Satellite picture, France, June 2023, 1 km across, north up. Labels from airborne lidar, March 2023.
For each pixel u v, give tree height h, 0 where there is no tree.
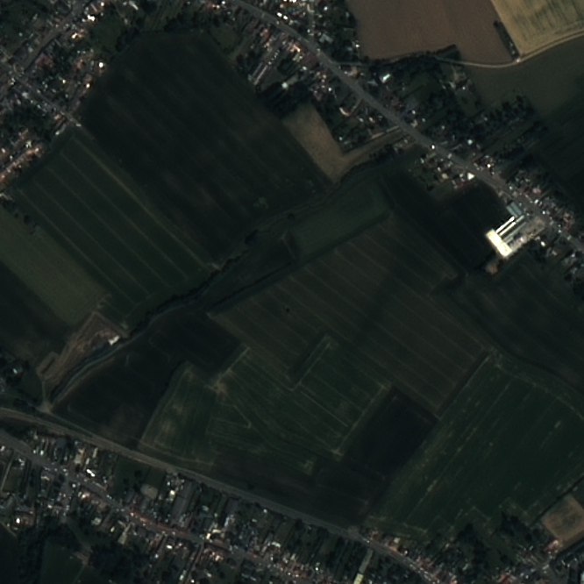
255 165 0
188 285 0
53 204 0
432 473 0
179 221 0
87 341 0
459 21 0
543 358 0
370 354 0
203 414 0
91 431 0
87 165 0
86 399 0
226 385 0
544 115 0
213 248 0
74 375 0
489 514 0
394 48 0
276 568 0
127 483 14
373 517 0
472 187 0
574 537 0
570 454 0
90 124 0
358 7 0
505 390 0
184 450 0
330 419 0
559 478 0
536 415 0
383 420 0
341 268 0
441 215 0
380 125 7
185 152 0
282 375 0
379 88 7
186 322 0
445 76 6
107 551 21
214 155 0
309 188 0
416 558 0
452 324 0
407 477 0
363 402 0
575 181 0
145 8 15
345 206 0
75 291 0
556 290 0
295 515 0
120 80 0
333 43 13
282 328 0
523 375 0
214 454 0
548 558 0
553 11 0
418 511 0
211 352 0
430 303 0
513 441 0
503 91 0
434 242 0
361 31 0
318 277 0
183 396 0
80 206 0
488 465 0
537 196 0
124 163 0
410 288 0
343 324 0
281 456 0
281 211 0
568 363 0
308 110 0
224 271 8
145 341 0
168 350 0
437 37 0
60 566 0
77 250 0
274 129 0
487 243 0
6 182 0
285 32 0
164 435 0
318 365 0
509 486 0
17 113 12
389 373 0
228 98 0
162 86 0
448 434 0
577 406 0
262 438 0
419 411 0
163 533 0
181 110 0
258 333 0
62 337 0
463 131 8
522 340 0
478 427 0
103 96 0
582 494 0
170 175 0
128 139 0
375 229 0
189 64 0
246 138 0
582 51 0
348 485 0
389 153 14
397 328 0
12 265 0
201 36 0
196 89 0
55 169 0
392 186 0
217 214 0
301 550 0
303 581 0
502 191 0
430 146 0
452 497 0
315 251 0
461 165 0
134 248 0
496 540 0
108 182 0
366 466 0
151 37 0
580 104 0
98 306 0
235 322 0
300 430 0
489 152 0
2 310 0
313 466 0
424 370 0
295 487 0
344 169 0
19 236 0
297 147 0
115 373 0
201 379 0
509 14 0
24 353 0
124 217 0
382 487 0
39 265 0
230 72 0
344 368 0
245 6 0
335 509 0
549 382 0
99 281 0
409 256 0
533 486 0
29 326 0
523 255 0
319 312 0
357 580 0
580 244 0
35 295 0
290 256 0
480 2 0
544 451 0
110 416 0
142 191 0
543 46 0
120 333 0
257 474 0
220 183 0
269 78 0
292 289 0
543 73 0
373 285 0
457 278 0
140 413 0
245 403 0
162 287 0
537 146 0
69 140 0
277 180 0
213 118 0
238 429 0
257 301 0
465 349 0
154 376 0
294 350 0
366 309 0
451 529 0
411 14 0
